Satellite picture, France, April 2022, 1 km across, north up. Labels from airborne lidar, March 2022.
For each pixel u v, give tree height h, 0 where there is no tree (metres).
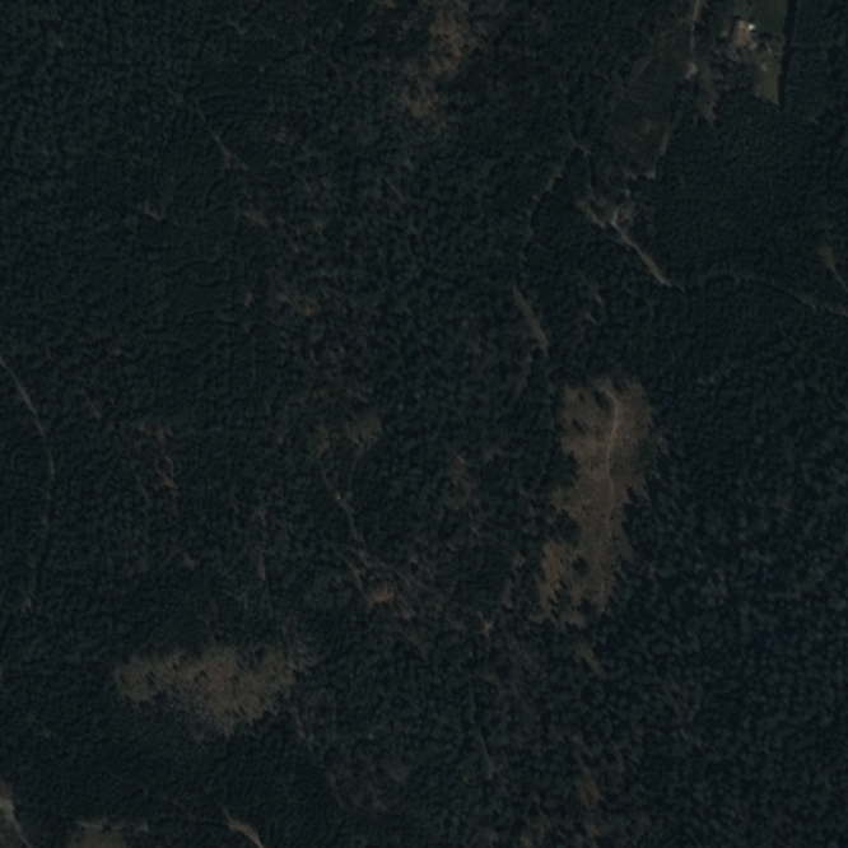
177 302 11
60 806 21
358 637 26
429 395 35
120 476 13
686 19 22
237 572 11
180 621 19
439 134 34
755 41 8
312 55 21
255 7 16
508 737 30
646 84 7
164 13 28
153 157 10
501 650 31
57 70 20
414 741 11
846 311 16
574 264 23
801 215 21
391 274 13
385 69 41
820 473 22
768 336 21
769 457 25
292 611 21
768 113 15
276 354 18
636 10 33
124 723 21
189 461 11
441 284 34
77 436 18
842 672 25
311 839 25
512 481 22
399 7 14
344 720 19
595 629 15
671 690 34
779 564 19
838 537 21
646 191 16
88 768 13
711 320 25
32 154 19
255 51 17
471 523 9
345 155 20
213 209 17
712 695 23
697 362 19
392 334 39
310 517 11
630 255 16
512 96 31
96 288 24
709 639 20
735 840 44
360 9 19
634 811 11
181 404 23
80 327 12
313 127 33
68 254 24
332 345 37
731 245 15
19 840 17
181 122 14
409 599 16
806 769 26
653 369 20
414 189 15
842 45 33
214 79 16
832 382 8
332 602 20
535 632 31
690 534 44
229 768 18
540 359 15
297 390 25
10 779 22
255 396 22
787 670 30
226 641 12
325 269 24
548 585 27
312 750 7
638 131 6
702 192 17
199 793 12
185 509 15
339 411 7
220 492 11
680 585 22
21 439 17
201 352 17
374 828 20
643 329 21
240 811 17
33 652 21
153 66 31
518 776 16
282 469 14
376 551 23
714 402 22
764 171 14
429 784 25
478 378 32
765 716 29
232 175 10
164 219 25
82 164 8
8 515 16
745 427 24
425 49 12
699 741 30
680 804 9
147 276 23
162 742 21
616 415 0
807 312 22
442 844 9
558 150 26
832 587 18
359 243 19
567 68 38
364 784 18
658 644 45
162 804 11
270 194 23
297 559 30
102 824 14
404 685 23
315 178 35
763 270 27
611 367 28
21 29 29
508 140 24
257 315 18
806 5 28
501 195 15
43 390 17
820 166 22
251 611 23
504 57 26
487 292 15
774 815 30
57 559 9
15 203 31
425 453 24
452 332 39
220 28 19
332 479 14
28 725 18
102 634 19
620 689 39
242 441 17
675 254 16
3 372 18
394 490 11
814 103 30
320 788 22
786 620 18
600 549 0
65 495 14
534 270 18
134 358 22
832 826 35
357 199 21
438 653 36
